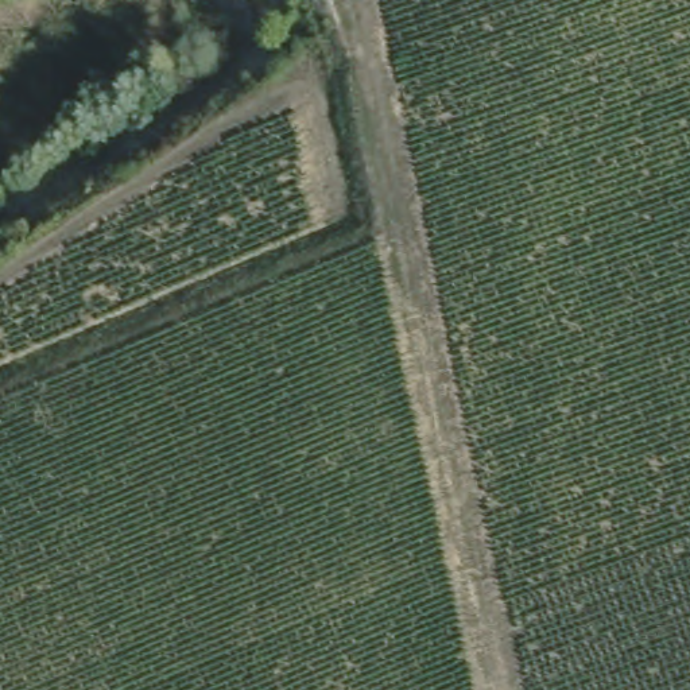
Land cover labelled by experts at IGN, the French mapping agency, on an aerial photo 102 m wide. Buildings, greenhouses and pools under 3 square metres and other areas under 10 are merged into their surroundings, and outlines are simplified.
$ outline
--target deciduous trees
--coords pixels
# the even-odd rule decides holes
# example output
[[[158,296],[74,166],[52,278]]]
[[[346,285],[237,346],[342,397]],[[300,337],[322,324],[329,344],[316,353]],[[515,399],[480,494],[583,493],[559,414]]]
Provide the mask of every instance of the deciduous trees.
[[[105,0],[0,0],[0,8],[35,3],[38,16],[65,19],[70,16],[70,5],[100,11],[105,8]]]
[[[189,11],[194,11],[199,16],[199,24],[205,27],[199,35],[178,38],[175,46],[159,46],[151,49],[151,54],[129,51],[129,70],[113,81],[113,89],[100,92],[97,86],[84,86],[78,92],[81,100],[75,105],[75,119],[59,121],[43,143],[35,143],[27,154],[13,156],[11,167],[0,173],[0,251],[16,243],[30,243],[35,237],[35,229],[49,218],[62,213],[67,216],[70,210],[102,194],[105,189],[124,183],[124,164],[143,159],[143,154],[159,154],[164,146],[173,146],[181,137],[197,132],[208,116],[224,113],[243,94],[253,92],[275,70],[275,62],[291,59],[294,49],[302,43],[302,38],[310,38],[310,27],[305,22],[296,22],[299,0],[186,0]]]

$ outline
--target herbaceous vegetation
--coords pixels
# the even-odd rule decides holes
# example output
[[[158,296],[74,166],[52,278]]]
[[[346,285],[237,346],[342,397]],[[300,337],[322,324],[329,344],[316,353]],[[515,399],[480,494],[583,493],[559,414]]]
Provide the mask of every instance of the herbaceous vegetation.
[[[164,146],[159,154],[143,154],[143,159],[124,164],[124,183],[105,189],[102,194],[70,210],[67,216],[62,213],[49,218],[35,229],[35,237],[30,243],[16,243],[0,251],[0,283],[16,283],[27,272],[27,264],[62,253],[62,243],[67,237],[78,237],[97,229],[100,218],[124,210],[127,199],[135,199],[143,191],[156,189],[162,173],[186,164],[194,151],[216,143],[224,129],[243,124],[253,116],[270,116],[286,108],[291,108],[291,127],[296,132],[299,148],[299,189],[307,202],[310,221],[318,229],[345,216],[345,178],[337,159],[334,132],[329,124],[323,78],[318,75],[315,59],[307,57],[307,49],[302,43],[294,49],[291,59],[275,62],[275,70],[253,92],[243,94],[224,113],[208,116],[197,132],[181,137],[173,146]]]
[[[189,11],[186,0],[105,0],[105,8],[100,11],[70,5],[70,16],[65,19],[38,16],[35,3],[0,8],[0,173],[11,167],[13,156],[27,154],[35,143],[43,143],[59,121],[75,119],[75,105],[81,100],[78,92],[84,86],[97,86],[100,92],[113,89],[113,81],[129,70],[129,51],[151,54],[151,49],[159,46],[175,46],[178,38],[199,35],[205,27],[199,24],[199,16],[194,11]]]
[[[396,332],[404,385],[415,415],[420,456],[426,464],[429,491],[437,512],[439,544],[456,598],[456,615],[464,641],[464,660],[472,677],[472,690],[523,690],[518,677],[518,660],[512,652],[507,606],[493,574],[488,528],[477,509],[477,499],[482,496],[482,491],[474,482],[472,453],[464,437],[464,412],[453,377],[453,358],[445,340],[445,321],[439,313],[434,259],[429,253],[429,237],[423,226],[423,197],[418,191],[412,156],[404,137],[407,121],[404,108],[399,102],[402,84],[394,78],[385,24],[377,0],[323,0],[337,40],[353,59],[353,70],[348,73],[348,92],[356,124],[356,143],[364,162],[367,189],[372,197],[375,243],[383,270],[383,286],[388,294],[388,313]]]

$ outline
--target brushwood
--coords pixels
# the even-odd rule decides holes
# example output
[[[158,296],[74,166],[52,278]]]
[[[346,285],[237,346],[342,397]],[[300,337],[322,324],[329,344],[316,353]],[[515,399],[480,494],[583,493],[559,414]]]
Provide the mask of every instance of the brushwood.
[[[332,259],[340,259],[375,243],[372,197],[367,189],[364,162],[356,143],[356,124],[348,92],[348,73],[353,70],[353,59],[337,40],[323,0],[299,0],[296,22],[305,22],[310,27],[310,38],[302,38],[302,43],[307,49],[307,57],[315,59],[318,75],[323,78],[329,124],[334,132],[337,159],[345,178],[345,216],[318,229],[305,240],[296,240],[272,253],[251,259],[248,264],[232,267],[221,275],[186,286],[164,299],[146,305],[143,310],[92,326],[78,337],[70,337],[22,361],[0,367],[0,402],[5,402],[27,385],[35,385],[38,380],[57,377],[81,364],[102,361],[113,350],[140,342],[162,329],[191,321],[202,313],[213,313],[226,302],[251,296],[267,286],[283,288],[286,278],[294,278],[315,267],[313,259],[323,259],[332,253]]]

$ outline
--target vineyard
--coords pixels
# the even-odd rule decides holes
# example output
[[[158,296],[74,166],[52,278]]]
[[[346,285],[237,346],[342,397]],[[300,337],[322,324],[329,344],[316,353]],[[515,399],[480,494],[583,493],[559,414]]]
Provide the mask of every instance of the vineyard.
[[[323,259],[313,259],[315,267],[294,278],[286,278],[283,288],[267,286],[251,296],[226,302],[213,313],[202,313],[191,321],[162,329],[140,342],[113,350],[102,361],[81,364],[57,377],[38,380],[35,385],[27,385],[5,402],[0,402],[0,690],[472,690],[472,677],[464,660],[464,641],[456,615],[456,598],[439,544],[437,512],[429,491],[426,464],[420,456],[415,415],[404,385],[396,332],[388,313],[388,294],[383,286],[383,270],[375,243],[340,259],[332,259],[332,253]]]
[[[412,156],[418,191],[423,197],[423,226],[429,237],[429,253],[434,259],[439,313],[445,321],[445,340],[453,358],[453,377],[464,412],[464,437],[472,453],[474,482],[482,491],[482,496],[477,499],[477,509],[488,528],[493,574],[507,606],[512,652],[518,660],[518,677],[523,690],[690,690],[690,0],[377,0],[385,24],[394,78],[402,84],[399,102],[404,108],[407,121],[404,137]]]
[[[243,124],[224,129],[216,143],[194,151],[186,164],[162,173],[156,189],[143,191],[135,199],[127,199],[124,210],[100,218],[97,229],[78,237],[67,237],[62,243],[62,253],[27,264],[27,272],[16,283],[0,283],[0,367],[22,361],[70,337],[78,337],[92,326],[143,310],[146,305],[164,299],[186,286],[221,275],[232,267],[248,264],[251,259],[272,253],[296,240],[305,240],[318,229],[310,221],[307,202],[299,189],[299,148],[296,132],[291,127],[291,108],[286,108],[270,116],[253,116]]]

